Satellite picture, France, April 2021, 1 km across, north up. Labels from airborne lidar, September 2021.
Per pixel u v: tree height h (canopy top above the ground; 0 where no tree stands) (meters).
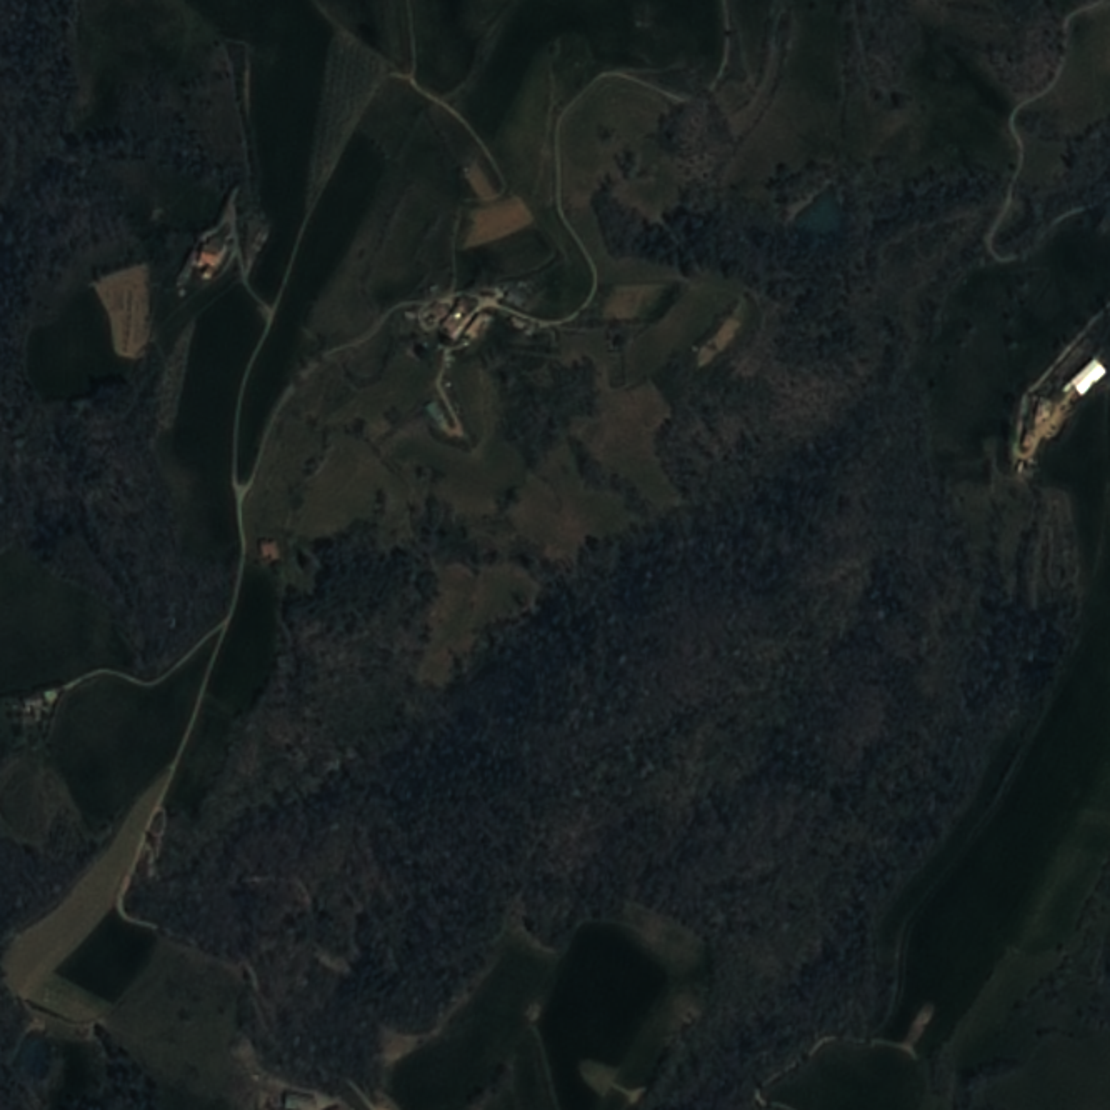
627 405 0
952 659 22
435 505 14
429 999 19
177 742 0
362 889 15
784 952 16
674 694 14
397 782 20
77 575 7
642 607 14
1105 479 0
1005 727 8
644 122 0
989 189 16
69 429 19
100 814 0
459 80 0
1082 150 14
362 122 0
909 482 18
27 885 18
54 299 0
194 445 0
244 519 0
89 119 0
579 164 0
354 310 0
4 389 15
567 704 11
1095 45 0
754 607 20
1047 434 0
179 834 10
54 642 0
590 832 13
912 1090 0
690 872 23
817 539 19
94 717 0
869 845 16
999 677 11
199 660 0
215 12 0
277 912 15
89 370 0
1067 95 0
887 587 17
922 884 0
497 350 7
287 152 0
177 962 0
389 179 0
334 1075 13
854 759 13
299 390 8
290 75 0
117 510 13
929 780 14
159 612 15
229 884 18
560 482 0
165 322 0
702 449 17
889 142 0
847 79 12
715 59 0
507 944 0
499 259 0
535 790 15
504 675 10
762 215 18
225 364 0
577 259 0
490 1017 0
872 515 19
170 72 0
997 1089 0
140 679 8
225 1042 0
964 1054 0
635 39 0
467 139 0
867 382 6
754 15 0
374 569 16
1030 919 0
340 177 0
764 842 8
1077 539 0
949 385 0
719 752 15
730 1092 22
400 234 0
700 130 8
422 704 25
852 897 26
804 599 17
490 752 16
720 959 13
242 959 9
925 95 0
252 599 0
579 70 0
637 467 0
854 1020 12
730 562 24
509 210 0
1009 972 0
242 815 7
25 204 12
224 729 0
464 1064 0
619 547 17
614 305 0
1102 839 0
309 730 13
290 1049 13
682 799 16
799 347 15
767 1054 16
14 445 17
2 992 11
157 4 0
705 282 0
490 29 0
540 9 0
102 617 0
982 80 0
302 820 21
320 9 0
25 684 0
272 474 0
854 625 21
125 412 16
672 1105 23
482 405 0
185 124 8
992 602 11
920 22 0
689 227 20
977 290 0
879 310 12
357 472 0
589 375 11
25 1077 11
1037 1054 0
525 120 0
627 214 15
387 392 0
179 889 14
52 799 0
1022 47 9
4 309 16
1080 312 0
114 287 0
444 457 0
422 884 25
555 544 0
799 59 0
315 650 14
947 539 25
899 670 14
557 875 16
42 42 15
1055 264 0
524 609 24
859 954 26
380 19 0
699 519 23
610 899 18
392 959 12
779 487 16
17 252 12
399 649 14
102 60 0
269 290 0
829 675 27
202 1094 0
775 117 0
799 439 8
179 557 14
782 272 10
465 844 20
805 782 18
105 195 10
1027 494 0
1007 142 0
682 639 18
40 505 21
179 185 0
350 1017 18
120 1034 0
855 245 18
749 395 6
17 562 0
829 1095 0
